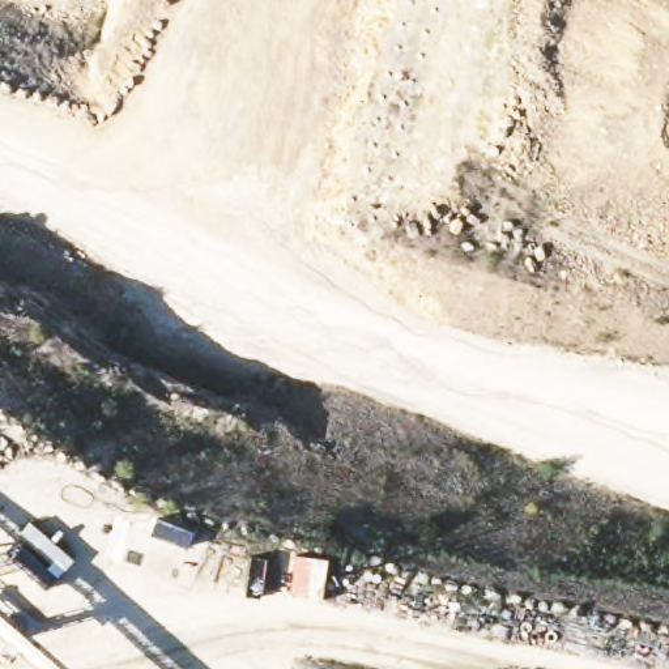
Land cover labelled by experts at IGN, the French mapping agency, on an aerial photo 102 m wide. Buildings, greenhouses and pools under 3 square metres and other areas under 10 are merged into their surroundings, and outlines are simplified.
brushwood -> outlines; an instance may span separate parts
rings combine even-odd
[[[541,562],[536,564],[541,572],[551,575],[567,572],[593,580],[617,578],[635,585],[645,583],[653,588],[669,588],[669,520],[664,523],[661,538],[651,541],[648,510],[614,510],[609,515],[609,523],[596,533],[588,551],[570,554],[564,562],[541,557]]]

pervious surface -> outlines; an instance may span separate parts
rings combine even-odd
[[[635,585],[617,578],[593,580],[567,572],[551,575],[541,572],[536,564],[541,562],[541,557],[564,562],[570,554],[588,551],[596,533],[609,523],[609,515],[614,510],[648,510],[651,541],[661,538],[664,523],[669,520],[669,0],[0,0],[0,669],[669,669],[669,588],[653,588],[645,583]]]

